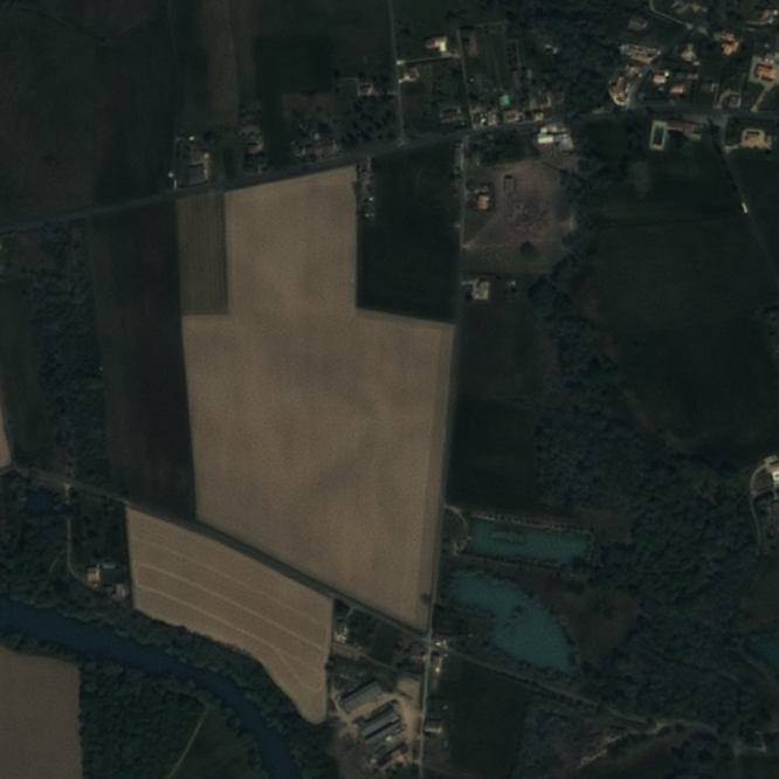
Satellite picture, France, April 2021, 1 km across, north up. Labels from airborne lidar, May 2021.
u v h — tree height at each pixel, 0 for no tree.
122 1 0
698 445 0
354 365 0
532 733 10
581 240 16
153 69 0
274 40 0
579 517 0
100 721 7
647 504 9
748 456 0
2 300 0
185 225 0
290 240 0
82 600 15
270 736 0
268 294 0
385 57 0
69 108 0
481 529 0
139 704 21
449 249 0
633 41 0
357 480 0
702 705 15
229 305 0
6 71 0
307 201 0
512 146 8
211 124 0
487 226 0
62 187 0
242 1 0
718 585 24
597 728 0
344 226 0
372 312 0
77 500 8
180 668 0
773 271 0
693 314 0
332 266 0
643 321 0
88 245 0
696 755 16
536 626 0
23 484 13
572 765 0
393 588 0
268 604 0
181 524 0
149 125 0
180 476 0
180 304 0
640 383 0
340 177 0
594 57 25
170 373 0
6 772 0
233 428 0
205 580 0
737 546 18
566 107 10
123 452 0
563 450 12
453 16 11
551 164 0
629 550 13
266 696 17
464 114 9
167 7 0
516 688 0
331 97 0
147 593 0
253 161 12
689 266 0
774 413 0
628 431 17
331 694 0
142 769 16
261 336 0
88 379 8
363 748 0
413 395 0
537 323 8
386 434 0
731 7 10
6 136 0
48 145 0
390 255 0
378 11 0
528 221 0
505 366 0
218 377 0
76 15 0
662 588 23
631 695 17
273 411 0
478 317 0
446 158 0
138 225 0
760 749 0
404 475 0
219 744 0
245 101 0
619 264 0
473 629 0
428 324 0
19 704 0
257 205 0
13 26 0
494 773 0
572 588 0
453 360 0
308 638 0
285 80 0
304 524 0
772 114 0
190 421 0
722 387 0
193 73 0
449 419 0
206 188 0
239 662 19
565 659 0
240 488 0
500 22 0
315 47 0
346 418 0
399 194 0
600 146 0
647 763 0
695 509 17
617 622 0
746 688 19
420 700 0
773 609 0
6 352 0
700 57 7
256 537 0
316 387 0
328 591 0
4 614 0
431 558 0
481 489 0
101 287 0
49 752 0
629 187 0
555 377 9
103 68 0
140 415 0
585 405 20
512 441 0
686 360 0
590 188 19
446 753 0
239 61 0
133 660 0
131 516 0
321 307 0
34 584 21
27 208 0
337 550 0
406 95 0
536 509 0
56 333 6
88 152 0
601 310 0
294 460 0
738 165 0
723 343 0
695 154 7
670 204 0
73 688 0
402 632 0
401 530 0
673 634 14
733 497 27
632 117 12
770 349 0
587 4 17
